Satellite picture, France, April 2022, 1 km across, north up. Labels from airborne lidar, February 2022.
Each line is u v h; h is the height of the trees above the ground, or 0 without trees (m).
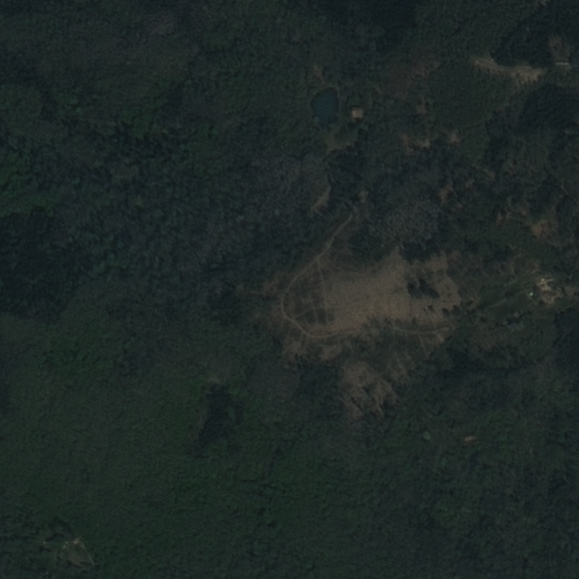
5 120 24
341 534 26
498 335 11
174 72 11
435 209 25
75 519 16
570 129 16
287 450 18
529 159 19
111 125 26
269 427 17
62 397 12
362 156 22
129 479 22
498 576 23
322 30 17
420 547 23
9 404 15
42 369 16
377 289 0
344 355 0
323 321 0
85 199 26
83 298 17
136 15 16
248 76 17
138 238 29
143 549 22
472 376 24
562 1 21
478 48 14
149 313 9
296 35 17
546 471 23
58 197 28
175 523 22
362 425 19
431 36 9
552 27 22
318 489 19
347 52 21
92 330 21
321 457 15
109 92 12
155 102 17
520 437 29
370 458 24
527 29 23
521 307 0
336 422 18
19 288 14
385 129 13
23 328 12
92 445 21
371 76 18
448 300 0
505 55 23
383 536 26
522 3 9
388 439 19
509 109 6
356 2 26
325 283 0
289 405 20
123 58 14
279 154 24
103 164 25
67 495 19
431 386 27
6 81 21
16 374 20
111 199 25
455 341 10
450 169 17
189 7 20
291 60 17
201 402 13
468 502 15
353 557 29
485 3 16
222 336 14
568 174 23
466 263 21
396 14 19
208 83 17
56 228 21
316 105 0
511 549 21
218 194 25
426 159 18
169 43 16
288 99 18
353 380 0
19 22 23
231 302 16
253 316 7
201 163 22
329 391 18
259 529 24
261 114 20
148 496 6
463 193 15
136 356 18
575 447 27
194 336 15
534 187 15
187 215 24
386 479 25
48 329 16
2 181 27
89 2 13
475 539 24
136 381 13
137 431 20
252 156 22
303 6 10
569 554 24
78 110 23
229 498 22
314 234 23
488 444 14
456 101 14
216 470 23
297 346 0
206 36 18
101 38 11
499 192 19
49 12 17
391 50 16
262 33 15
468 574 23
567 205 25
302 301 0
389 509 28
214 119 20
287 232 20
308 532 27
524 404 23
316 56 13
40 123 19
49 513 13
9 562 23
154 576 22
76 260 14
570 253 27
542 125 15
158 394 21
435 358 8
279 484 23
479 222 9
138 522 24
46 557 19
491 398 21
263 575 22
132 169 31
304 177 24
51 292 12
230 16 21
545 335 20
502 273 19
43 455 20
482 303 0
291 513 23
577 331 20
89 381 21
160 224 27
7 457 24
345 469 18
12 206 24
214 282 26
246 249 8
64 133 25
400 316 0
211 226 28
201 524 24
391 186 25
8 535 21
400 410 8
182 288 10
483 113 15
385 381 0
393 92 13
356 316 0
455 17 12
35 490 20
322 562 23
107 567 16
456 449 7
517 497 11
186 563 23
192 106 14
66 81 13
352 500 20
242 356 17
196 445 9
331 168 17
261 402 16
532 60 22
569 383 14
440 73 12
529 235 13
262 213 26
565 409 31
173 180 27
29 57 22
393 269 0
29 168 23
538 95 12
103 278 22
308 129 11
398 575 27
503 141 13
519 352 14
